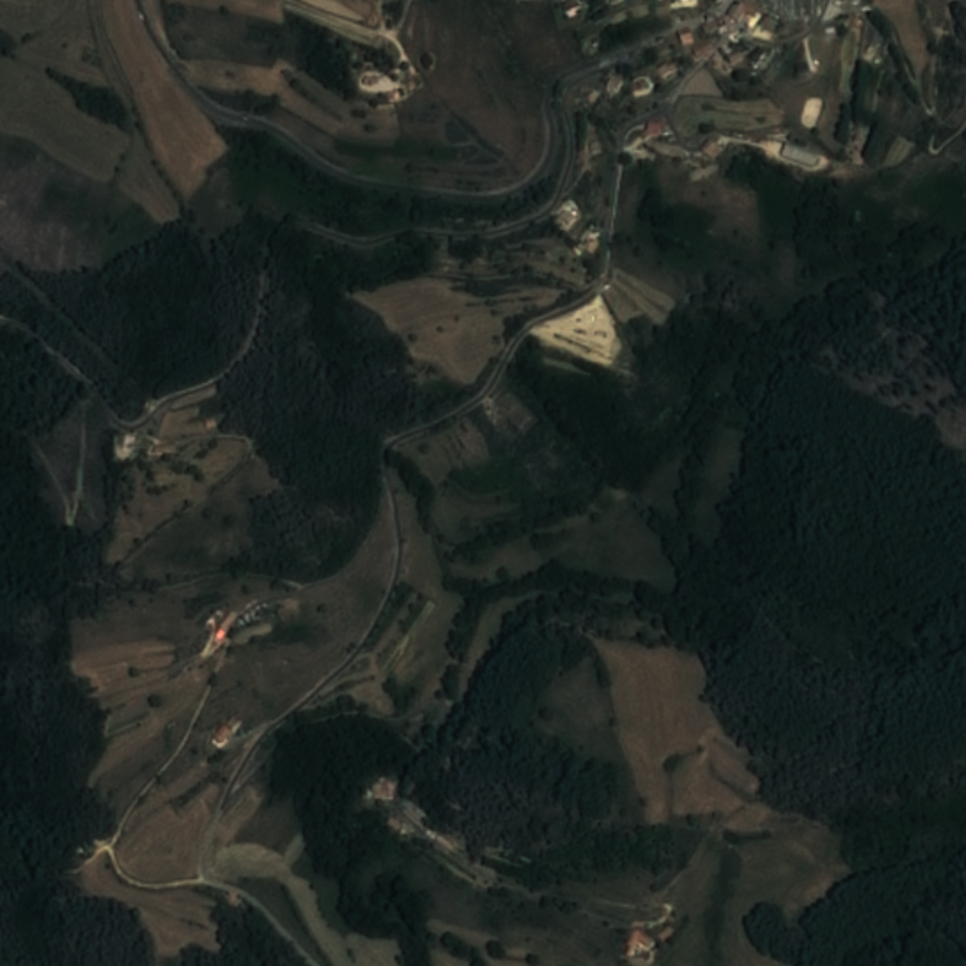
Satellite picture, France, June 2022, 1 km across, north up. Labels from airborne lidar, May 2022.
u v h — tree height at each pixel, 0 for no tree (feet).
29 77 0
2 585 25
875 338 46
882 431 54
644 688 0
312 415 56
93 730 36
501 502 34
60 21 0
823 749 72
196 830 0
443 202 50
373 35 0
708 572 66
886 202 0
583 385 29
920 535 60
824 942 94
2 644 27
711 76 0
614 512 0
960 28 52
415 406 50
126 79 0
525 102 0
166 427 0
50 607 50
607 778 37
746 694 60
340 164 19
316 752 68
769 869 0
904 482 75
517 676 112
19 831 74
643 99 0
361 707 21
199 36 0
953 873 44
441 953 0
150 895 0
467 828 54
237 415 54
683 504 64
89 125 0
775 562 35
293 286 33
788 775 48
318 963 0
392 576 0
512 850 31
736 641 50
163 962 0
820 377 40
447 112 0
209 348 55
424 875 0
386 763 60
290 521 55
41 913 29
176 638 0
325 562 22
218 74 0
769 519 46
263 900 0
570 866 33
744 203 0
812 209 46
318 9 0
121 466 24
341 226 28
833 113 0
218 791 0
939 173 0
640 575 0
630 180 0
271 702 0
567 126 0
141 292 67
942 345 71
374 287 34
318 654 0
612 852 39
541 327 0
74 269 0
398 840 22
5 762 54
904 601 50
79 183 0
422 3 0
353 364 42
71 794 30
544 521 38
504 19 0
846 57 0
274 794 26
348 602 0
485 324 0
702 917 0
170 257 55
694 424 49
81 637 0
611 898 0
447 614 0
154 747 0
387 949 0
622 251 0
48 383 84
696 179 0
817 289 0
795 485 44
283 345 31
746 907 0
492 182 0
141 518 0
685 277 0
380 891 51
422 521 31
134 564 0
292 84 27
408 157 0
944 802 23
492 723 89
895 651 19
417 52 0
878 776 71
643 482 39
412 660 0
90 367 41
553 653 87
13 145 0
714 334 32
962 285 83
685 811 0
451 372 0
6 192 0
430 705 0
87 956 47
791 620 44
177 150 0
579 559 0
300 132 0
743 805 0
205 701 0
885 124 47
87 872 0
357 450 31
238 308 61
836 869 0
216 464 0
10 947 35
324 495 31
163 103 0
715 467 0
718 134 0
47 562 29
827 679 55
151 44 0
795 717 59
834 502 55
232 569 34
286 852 0
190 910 0
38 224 0
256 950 31
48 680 20
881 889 110
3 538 38
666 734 0
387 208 33
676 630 65
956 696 115
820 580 56
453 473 24
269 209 0
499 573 31
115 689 0
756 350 84
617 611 49
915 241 58
